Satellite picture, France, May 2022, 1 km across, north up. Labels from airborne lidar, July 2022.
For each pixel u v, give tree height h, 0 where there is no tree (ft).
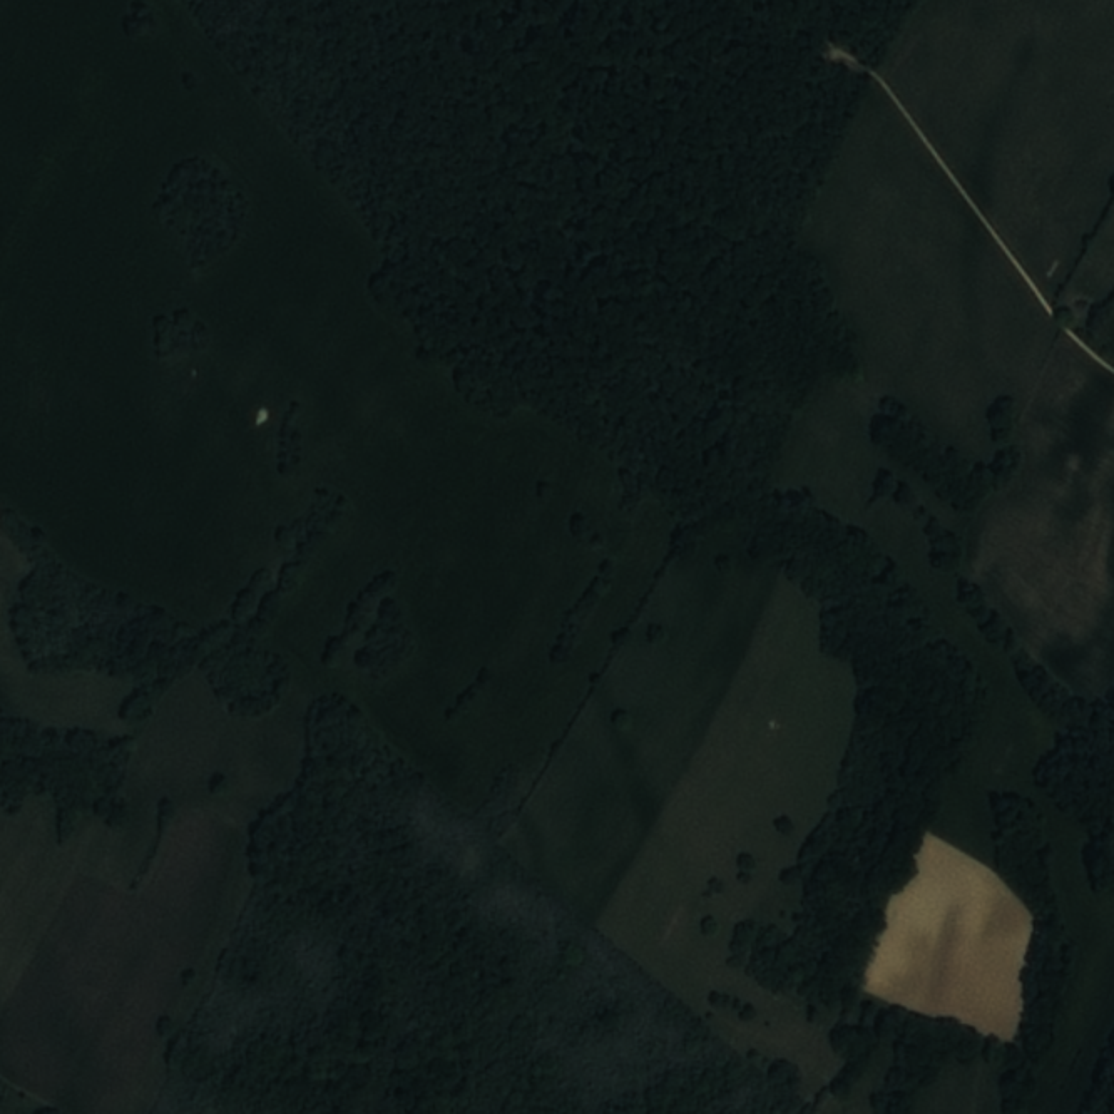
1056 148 0
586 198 77
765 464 79
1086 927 0
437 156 64
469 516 0
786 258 75
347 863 75
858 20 63
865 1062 53
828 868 62
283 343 0
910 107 0
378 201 52
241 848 0
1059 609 0
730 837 0
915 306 0
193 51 0
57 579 38
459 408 0
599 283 96
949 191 0
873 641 73
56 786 56
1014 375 0
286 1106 25
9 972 0
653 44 97
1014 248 0
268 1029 21
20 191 0
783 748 0
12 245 0
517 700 0
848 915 63
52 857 0
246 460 0
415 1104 67
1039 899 21
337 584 0
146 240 0
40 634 82
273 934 22
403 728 0
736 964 19
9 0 0
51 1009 0
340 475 0
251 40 53
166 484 0
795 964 31
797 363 94
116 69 0
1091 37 0
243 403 0
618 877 0
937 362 0
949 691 88
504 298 93
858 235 0
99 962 0
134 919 0
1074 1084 0
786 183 61
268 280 0
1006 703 0
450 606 0
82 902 0
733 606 0
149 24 57
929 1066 63
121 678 24
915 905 0
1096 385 0
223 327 0
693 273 90
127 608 43
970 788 0
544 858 0
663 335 83
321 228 0
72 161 0
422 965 20
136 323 0
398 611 42
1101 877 85
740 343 95
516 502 0
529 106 79
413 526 0
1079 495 0
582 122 83
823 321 50
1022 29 0
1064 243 0
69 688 0
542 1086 32
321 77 41
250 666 46
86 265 0
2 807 34
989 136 0
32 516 0
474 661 0
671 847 0
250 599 43
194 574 0
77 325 0
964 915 0
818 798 0
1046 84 0
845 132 33
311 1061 46
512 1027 35
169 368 0
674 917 0
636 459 43
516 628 0
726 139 75
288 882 66
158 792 0
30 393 0
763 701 0
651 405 75
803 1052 0
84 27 0
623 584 0
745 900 0
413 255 66
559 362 78
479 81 72
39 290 0
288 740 0
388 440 0
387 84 69
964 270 0
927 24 0
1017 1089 71
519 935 25
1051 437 0
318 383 0
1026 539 0
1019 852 37
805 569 63
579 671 0
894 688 90
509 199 74
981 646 0
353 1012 56
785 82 73
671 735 0
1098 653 0
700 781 0
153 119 0
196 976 35
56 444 0
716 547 0
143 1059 0
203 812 0
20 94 0
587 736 0
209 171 27
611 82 97
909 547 0
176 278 0
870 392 0
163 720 0
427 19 88
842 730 0
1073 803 82
